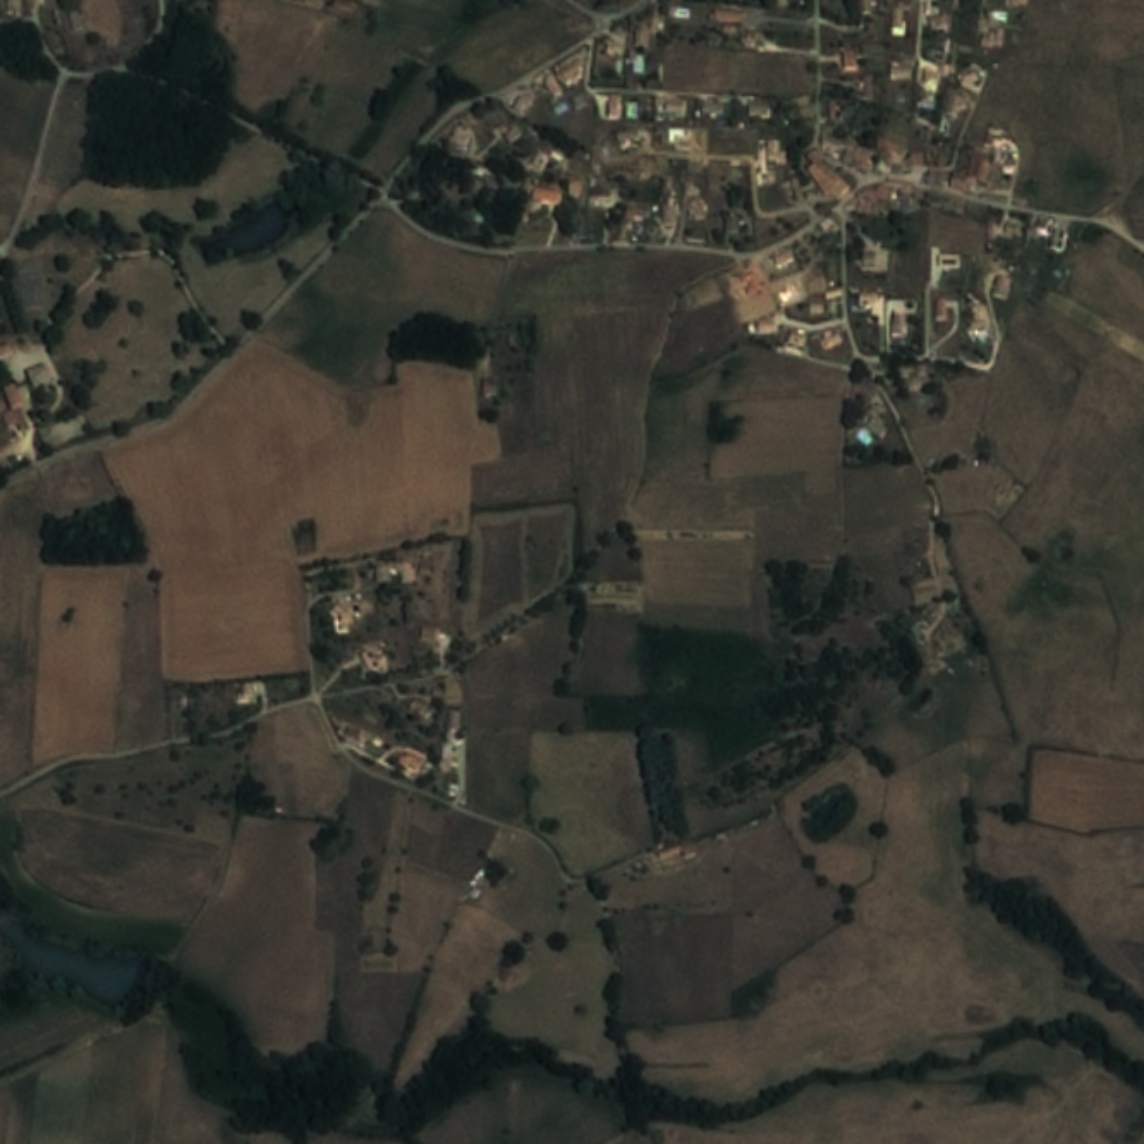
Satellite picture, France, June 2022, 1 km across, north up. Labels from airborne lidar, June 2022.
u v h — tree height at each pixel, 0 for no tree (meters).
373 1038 0
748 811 0
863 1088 0
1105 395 0
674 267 0
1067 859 0
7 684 0
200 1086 9
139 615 0
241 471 0
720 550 0
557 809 0
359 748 0
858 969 0
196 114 16
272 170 0
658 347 0
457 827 0
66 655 0
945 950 0
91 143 10
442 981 0
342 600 0
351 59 0
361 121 0
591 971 0
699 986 0
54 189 0
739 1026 0
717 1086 0
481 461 0
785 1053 0
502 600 0
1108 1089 0
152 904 0
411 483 0
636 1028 6
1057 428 0
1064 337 0
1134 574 0
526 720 0
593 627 0
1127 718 0
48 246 0
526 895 0
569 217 13
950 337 0
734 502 0
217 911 0
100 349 0
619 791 0
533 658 0
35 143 0
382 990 0
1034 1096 0
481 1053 12
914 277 0
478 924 0
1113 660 0
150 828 0
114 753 0
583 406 0
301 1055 7
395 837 0
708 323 0
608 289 0
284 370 0
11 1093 0
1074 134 0
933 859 0
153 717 0
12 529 0
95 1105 0
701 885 0
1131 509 0
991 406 0
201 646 0
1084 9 0
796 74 0
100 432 5
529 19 0
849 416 10
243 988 0
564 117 0
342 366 0
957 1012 0
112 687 0
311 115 0
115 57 0
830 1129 0
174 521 0
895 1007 0
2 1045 0
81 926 0
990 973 0
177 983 27
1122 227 0
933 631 0
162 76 12
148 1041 0
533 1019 0
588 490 0
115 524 9
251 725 8
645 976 0
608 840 0
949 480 0
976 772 0
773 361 0
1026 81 0
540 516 0
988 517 0
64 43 0
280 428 0
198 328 28
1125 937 0
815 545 0
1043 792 0
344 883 0
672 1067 0
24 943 0
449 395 0
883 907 0
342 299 0
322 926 0
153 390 0
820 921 0
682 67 0
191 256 0
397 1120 32
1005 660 0
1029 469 0
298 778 0
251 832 0
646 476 0
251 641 0
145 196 0
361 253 0
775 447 0
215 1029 0
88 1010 0
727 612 0
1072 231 0
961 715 0
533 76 0
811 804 7
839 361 0
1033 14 0
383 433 0
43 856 0
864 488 0
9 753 0
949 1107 0
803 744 10
